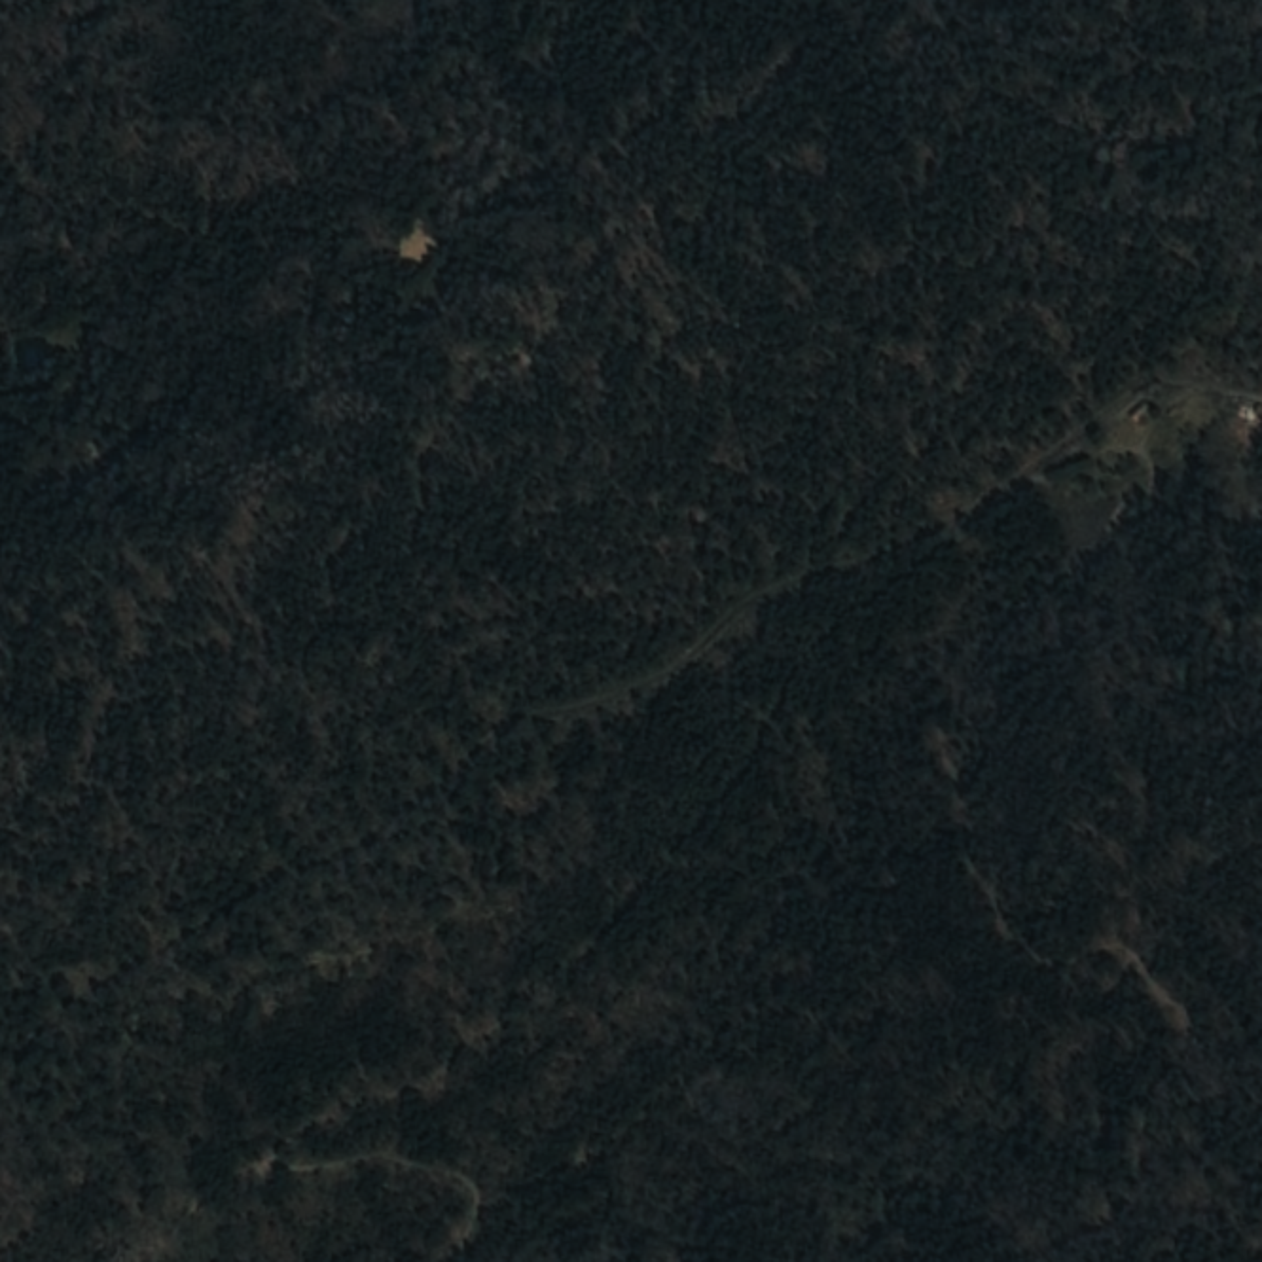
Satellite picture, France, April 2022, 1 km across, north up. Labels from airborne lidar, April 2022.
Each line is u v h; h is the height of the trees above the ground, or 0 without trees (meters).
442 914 29
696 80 18
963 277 16
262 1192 23
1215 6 21
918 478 16
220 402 24
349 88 13
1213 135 19
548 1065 10
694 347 24
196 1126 8
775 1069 17
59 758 21
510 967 18
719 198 16
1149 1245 19
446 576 23
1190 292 21
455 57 12
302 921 22
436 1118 14
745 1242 19
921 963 24
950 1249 22
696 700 19
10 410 14
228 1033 13
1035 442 19
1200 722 25
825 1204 17
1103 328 15
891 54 20
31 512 27
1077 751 14
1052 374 13
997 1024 22
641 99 17
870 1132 8
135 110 16
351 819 9
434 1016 7
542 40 12
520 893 13
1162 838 23
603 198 19
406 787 7
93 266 12
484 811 12
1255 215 18
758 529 22
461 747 9
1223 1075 25
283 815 19
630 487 22
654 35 20
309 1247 9
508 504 13
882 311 19
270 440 23
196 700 22
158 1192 20
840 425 21
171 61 15
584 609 15
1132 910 20
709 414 24
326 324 27
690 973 21
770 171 24
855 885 13
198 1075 9
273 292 19
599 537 20
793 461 24
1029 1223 22
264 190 8
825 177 9
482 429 21
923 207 24
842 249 26
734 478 18
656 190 19
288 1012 9
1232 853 17
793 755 15
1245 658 19
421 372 18
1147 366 14
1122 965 18
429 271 15
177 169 10
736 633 8
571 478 16
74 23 19
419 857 13
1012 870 21
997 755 19
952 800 17
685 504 23
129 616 0
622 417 18
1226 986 20
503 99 12
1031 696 23
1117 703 19
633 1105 9
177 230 7
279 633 23
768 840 18
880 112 14
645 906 26
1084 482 11
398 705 19
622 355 23
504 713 6
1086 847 20
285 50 16
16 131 15
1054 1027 14
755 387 22
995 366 20
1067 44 24
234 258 18
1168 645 20
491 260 10
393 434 22
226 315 17
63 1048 33
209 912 26
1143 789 24
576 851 21
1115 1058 20
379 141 23
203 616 23
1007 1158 25
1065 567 14
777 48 25
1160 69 18
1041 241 25
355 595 14
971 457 24
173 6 16
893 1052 14
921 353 22
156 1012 32
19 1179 25
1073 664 22
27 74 17
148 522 22
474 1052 13
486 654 11
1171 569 17
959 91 24
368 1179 10
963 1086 8
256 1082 15
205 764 17
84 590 21
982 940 19
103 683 13
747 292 15
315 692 15
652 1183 10
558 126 21
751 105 23
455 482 16
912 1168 14
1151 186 23
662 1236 8
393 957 11
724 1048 13
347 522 24
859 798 11
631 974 14
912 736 12
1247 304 16
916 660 19
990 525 26
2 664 24
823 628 14
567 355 20
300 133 28
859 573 8
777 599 8
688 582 23
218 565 18
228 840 26
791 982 10
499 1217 11
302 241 20
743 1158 9
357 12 19
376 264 17
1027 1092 19
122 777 21
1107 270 18
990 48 19
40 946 22
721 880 22
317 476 20
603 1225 8
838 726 18
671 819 24
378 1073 21
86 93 15
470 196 27
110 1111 16
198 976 24
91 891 15
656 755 20
